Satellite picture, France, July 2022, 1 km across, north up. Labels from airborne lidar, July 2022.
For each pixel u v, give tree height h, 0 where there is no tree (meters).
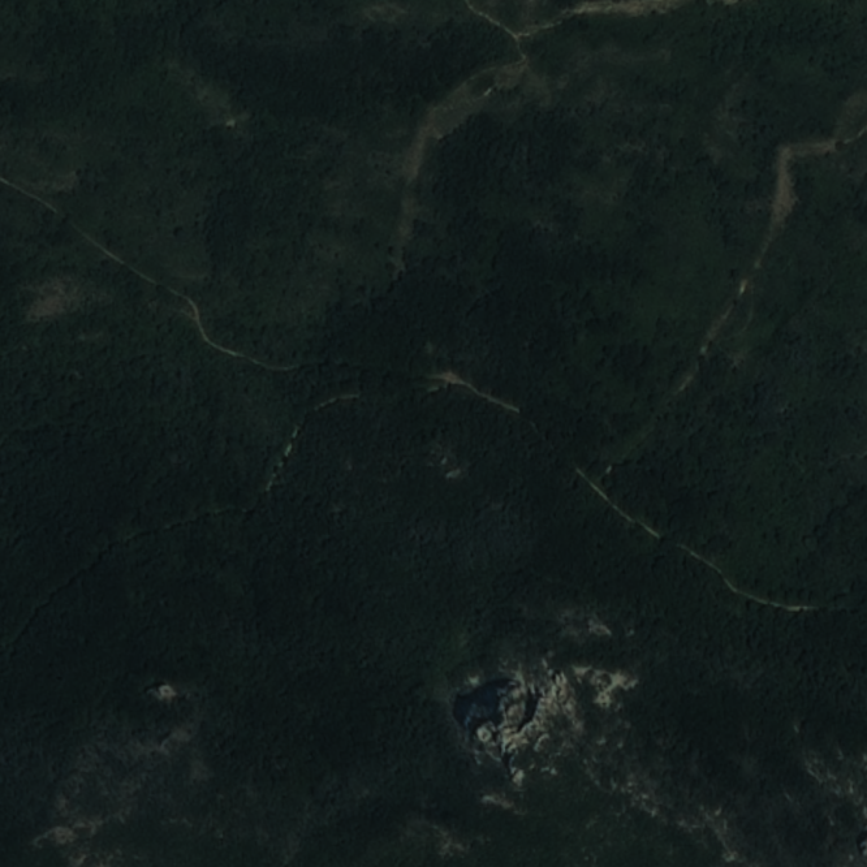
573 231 7
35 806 7
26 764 8
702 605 18
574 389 9
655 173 9
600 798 7
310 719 9
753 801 7
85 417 7
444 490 8
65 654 16
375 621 10
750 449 10
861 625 21
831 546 12
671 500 17
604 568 22
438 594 12
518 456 12
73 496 14
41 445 9
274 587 18
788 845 7
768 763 13
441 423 11
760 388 13
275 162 9
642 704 7
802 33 16
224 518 12
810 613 6
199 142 7
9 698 14
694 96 6
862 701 11
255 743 17
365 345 20
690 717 15
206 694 9
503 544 15
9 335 12
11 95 12
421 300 16
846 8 7
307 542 16
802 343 16
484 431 14
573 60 0
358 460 5
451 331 12
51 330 9
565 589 14
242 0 9
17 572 16
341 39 8
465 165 10
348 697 19
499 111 0
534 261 13
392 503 9
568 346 16
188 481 18
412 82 9
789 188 0
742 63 11
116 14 7
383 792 6
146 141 8
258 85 11
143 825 6
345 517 13
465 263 9
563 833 7
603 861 6
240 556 14
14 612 14
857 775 8
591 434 24
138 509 15
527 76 0
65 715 16
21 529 11
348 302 11
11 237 8
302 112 12
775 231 0
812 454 6
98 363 14
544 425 24
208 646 9
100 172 7
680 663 9
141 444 8
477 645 6
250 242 14
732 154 0
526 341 17
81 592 18
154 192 7
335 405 8
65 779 6
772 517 7
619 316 10
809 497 8
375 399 7
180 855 7
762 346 8
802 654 11
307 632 18
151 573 19
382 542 10
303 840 5
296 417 8
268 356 7
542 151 7
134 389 14
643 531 10
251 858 9
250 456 7
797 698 14
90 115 10
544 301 17
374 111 7
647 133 9
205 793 7
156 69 7
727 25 12
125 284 10
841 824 10
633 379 12
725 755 7
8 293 12
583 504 22
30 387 15
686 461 16
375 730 20
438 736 9
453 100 0
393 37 9
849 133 0
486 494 8
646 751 10
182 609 13
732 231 9
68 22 9
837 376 5
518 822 7
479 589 6
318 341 13
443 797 8
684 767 6
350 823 10
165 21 14
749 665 8
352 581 10
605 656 16
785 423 13
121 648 13
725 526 5
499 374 7
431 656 6
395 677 16
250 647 8
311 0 9
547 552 21
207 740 10
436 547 18
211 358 7
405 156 0
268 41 6
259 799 6
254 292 9
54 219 7
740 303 9
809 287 9
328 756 16
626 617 10
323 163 11
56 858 6
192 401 9
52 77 7
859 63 10
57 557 19
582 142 8
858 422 9
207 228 10
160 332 11
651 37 9
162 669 21
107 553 12
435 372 6
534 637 12
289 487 12
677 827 5
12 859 6
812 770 9
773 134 7
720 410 11
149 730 8
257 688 12
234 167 7
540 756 6
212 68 14
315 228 14
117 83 8
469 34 7
